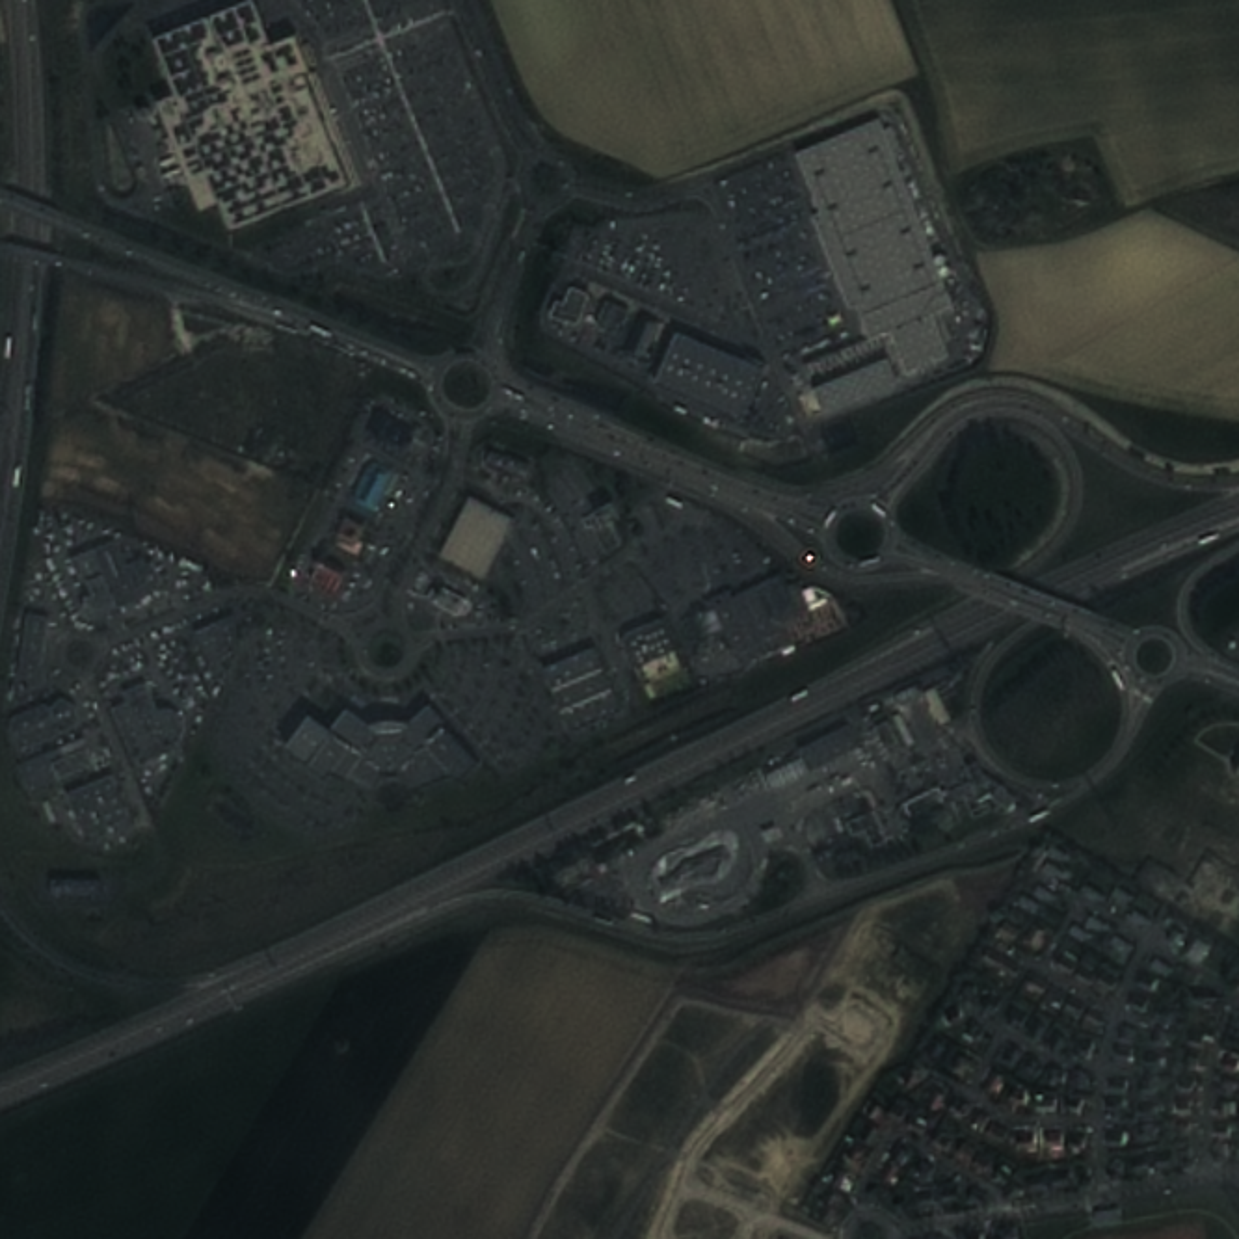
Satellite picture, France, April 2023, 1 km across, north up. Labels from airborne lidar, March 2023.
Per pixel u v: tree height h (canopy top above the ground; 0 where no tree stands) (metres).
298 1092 0
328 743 0
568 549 0
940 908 0
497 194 0
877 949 0
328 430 0
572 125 0
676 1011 0
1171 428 0
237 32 0
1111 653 0
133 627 0
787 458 0
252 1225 0
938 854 0
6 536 0
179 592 0
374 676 0
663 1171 0
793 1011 0
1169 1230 0
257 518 0
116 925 0
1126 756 0
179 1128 0
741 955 0
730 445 0
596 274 0
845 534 0
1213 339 0
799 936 0
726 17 0
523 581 0
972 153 0
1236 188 0
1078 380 0
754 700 0
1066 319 0
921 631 0
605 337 0
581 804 0
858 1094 0
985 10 0
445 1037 0
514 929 0
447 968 0
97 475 0
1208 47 0
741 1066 0
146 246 0
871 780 0
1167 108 0
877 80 0
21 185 0
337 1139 0
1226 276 0
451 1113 0
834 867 8
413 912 0
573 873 0
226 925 0
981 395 0
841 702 0
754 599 0
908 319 0
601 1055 0
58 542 0
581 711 0
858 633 0
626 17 0
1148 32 0
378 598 0
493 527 0
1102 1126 0
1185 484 0
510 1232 0
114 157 0
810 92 0
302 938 0
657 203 0
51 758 0
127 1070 0
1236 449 0
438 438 0
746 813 0
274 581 0
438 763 0
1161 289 0
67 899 0
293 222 0
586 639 0
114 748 0
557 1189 0
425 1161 0
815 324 0
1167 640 0
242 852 0
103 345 0
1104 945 8
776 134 0
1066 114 0
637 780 0
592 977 0
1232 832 0
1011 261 0
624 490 7
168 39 0
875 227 0
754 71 0
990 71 0
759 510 0
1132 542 0
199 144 0
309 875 0
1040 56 0
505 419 0
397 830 0
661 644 0
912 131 0
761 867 0
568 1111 0
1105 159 0
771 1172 0
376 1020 0
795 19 0
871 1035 0
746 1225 0
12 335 0
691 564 0
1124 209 0
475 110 0
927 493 0
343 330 0
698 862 0
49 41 0
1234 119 0
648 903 0
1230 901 0
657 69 0
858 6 0
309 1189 0
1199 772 0
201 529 0
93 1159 0
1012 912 10
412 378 0
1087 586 0
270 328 0
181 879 0
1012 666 0
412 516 0
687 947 0
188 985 0
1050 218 0
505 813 0
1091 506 0
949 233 0
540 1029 0
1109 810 0
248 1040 0
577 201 0
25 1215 0
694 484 0
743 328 0
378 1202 0
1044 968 0
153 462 0
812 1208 0
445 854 0
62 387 0
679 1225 0
